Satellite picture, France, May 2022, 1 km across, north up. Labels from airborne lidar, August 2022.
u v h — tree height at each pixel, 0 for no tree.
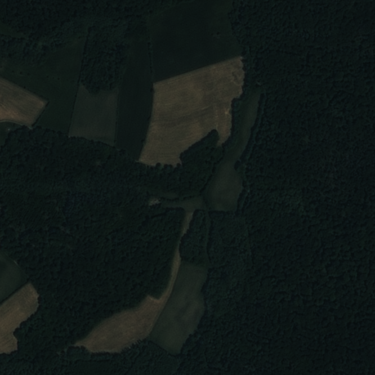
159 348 17
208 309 20
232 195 0
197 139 0
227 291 28
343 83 21
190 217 0
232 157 0
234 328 19
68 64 0
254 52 20
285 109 18
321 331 23
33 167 14
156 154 0
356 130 20
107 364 13
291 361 20
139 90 0
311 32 16
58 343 23
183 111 0
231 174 0
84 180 34
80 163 24
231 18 11
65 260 25
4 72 0
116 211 20
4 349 0
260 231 26
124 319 0
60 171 18
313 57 21
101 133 0
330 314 22
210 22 0
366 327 19
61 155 19
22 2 23
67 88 0
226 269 28
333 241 25
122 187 34
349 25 21
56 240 22
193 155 22
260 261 21
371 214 19
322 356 23
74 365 13
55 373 27
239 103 19
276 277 22
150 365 17
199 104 0
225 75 0
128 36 30
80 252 24
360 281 27
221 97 0
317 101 21
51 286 25
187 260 20
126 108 0
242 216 21
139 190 22
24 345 18
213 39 0
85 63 8
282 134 24
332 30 17
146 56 0
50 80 0
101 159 22
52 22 30
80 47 0
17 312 0
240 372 18
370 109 21
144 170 18
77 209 16
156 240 20
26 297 0
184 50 0
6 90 0
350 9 24
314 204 20
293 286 22
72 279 24
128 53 16
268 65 20
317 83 23
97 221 19
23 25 25
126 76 0
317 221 19
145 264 20
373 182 22
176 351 0
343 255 16
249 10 19
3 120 0
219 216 26
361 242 25
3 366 32
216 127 0
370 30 19
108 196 31
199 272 0
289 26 20
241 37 25
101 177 34
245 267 27
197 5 0
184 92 0
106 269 26
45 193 15
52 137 19
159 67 0
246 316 11
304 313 21
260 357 27
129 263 18
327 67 20
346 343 21
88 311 21
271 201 22
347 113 18
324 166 14
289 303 25
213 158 19
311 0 17
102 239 23
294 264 24
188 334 0
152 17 12
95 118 0
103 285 24
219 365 24
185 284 0
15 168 21
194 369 23
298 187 21
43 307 17
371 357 24
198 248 21
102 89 18
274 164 26
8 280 0
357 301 23
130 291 21
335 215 24
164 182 21
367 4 27
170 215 19
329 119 26
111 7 28
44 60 15
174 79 0
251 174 20
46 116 0
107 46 19
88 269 26
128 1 26
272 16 23
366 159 17
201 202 0
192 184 23
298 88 23
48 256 23
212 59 0
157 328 0
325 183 15
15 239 21
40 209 9
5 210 21
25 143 21
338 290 26
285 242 21
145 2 27
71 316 11
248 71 22
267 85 21
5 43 19
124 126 0
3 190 17
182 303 0
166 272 23
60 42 26
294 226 20
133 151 0
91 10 25
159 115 0
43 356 23
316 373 25
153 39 0
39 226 9
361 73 23
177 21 0
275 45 18
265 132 19
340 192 16
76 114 0
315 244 26
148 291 20
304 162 21
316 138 14
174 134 0
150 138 0
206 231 18
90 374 12
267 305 18
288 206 21
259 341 27
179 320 0
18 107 0
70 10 24
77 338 21
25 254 23
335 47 13
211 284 20
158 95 0
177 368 12
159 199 7
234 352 18
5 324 0
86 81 12
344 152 16
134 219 10
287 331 28
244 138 0
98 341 0
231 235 26
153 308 0
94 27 26
